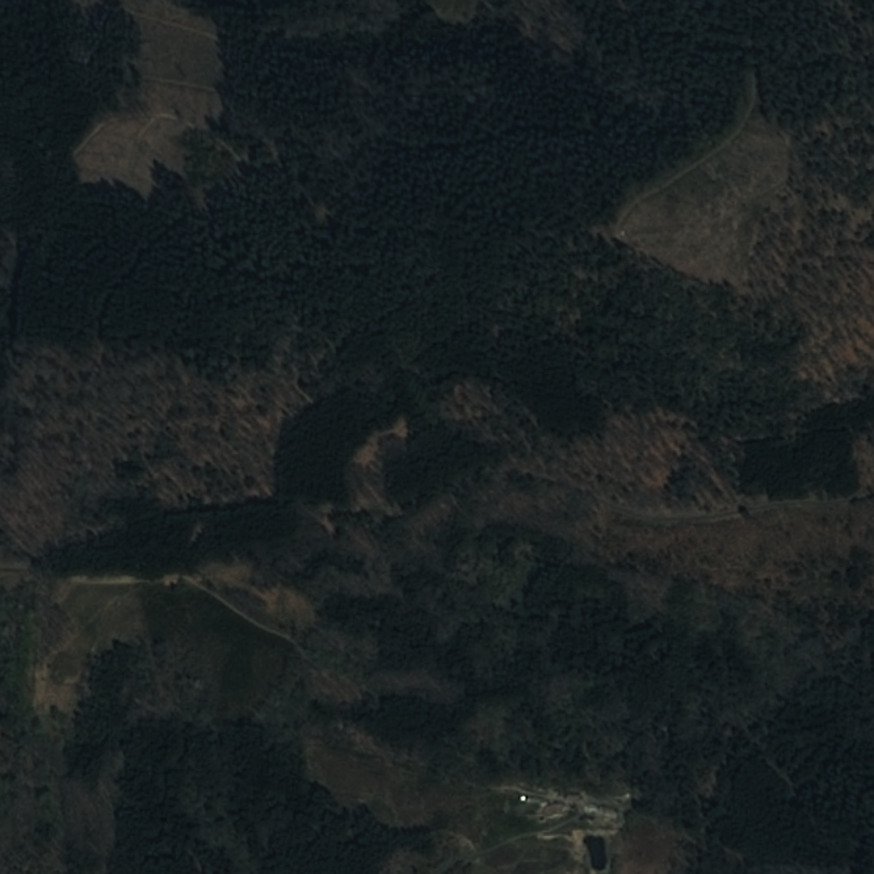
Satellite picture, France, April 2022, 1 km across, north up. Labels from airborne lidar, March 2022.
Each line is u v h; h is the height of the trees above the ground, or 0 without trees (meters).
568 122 24
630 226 0
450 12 0
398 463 29
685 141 26
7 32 25
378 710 29
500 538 22
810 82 21
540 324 22
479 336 28
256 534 34
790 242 24
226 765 22
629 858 0
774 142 0
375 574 21
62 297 29
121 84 19
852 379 29
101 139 0
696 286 18
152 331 27
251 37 26
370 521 28
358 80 25
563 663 27
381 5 32
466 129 27
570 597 20
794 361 19
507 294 17
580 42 27
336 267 27
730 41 23
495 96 20
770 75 23
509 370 25
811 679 21
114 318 27
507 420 23
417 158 26
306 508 25
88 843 30
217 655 0
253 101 21
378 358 27
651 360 17
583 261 16
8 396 25
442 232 21
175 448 20
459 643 21
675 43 29
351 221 30
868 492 7
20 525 27
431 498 27
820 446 20
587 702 17
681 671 18
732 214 0
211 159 8
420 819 0
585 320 8
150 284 28
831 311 24
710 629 15
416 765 25
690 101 22
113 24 24
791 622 18
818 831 19
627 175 24
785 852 22
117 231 21
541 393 24
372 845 31
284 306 23
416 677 28
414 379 21
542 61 23
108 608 0
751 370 12
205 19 24
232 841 23
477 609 16
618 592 15
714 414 25
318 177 26
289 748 27
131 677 10
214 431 21
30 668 19
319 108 22
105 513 24
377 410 27
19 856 25
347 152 20
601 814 0
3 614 20
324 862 29
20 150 21
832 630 9
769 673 16
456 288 25
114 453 21
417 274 20
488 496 30
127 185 0
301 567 29
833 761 10
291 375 26
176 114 0
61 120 19
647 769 24
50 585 25
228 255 26
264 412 18
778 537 9
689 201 0
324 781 0
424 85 28
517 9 30
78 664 0
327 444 28
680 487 29
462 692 28
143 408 20
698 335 13
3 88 21
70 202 25
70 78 23
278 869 22
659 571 8
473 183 27
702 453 23
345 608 22
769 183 0
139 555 31
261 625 21
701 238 0
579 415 26
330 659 28
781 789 25
